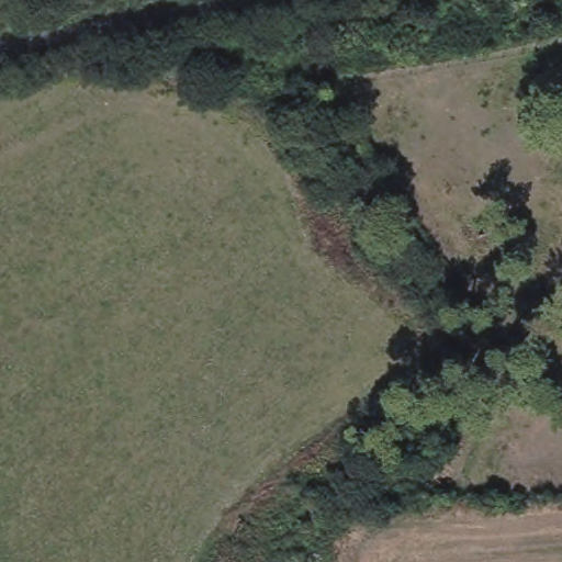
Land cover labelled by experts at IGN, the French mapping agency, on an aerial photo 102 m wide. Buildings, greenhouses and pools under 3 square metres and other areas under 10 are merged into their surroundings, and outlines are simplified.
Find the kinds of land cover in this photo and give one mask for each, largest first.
<instances>
[{"label":"agricultural land","instance_id":"1","mask_svg":"<svg viewBox=\"0 0 562 562\"><path fill-rule=\"evenodd\" d=\"M312 211L307 209V198L299 189V176H292L283 169V165L272 154L268 141L257 138V134L248 130V125L226 121L220 110L193 112L187 105H180L178 94L151 97L145 88H61V83H50L48 88L33 92L26 99H0V562H195L202 553L204 542L211 536L226 507H231L257 481L266 479L268 470L272 472L274 468L288 463L303 441L312 439L327 424L342 417L353 397H367L373 384L389 369V340L400 329V325L384 314V307H380L378 301H373L367 294L362 283H353L347 277L345 268L331 266L327 257H318L312 250L310 228L303 224V220ZM338 555L336 562H562V505L549 503L544 507L533 505L525 509L520 514L485 516L481 509H463L457 505L450 512H441V507H435L424 514L395 516L386 529H364L358 525L353 527V531L334 542Z\"/></svg>","mask_w":562,"mask_h":562},{"label":"deciduous trees","instance_id":"2","mask_svg":"<svg viewBox=\"0 0 562 562\"><path fill-rule=\"evenodd\" d=\"M156 2L198 4L209 0H0V35H42L48 31H57L70 22L88 20L103 13L130 9L136 11ZM529 40H533L538 46H544L562 40V0H294L288 9L257 7L241 15L215 13L204 22L182 20L180 29L169 33L167 42L160 40V35L154 31L143 33L136 42H130L125 33H114L110 37H99L90 33L83 35L79 44L61 46L48 50L46 55H20L13 61L9 55H0V99H26L33 92L48 88L50 83H61V88H145L151 97L178 94L180 105H187L193 112L220 110L226 121L248 125V130L257 134V138L268 141L272 154L283 165V169L292 176H299V189L307 198V209L312 211H338L345 222H351V257L358 263H362L369 272H373L375 279H389V285L393 290H400L402 301L419 312V318L426 321V327L419 334L452 331L468 323L474 331H483L485 327H490L492 318L501 316L514 303V299L498 292V301L490 303L483 310L470 307L468 303L448 307L439 279L450 257L441 252L439 241L426 228L419 215L411 162L402 156L397 145L380 143L371 136L375 121L373 108L380 92L373 88L367 75L371 70L380 72L386 68L402 70L419 64L459 61V57L474 59L485 48H509ZM514 132L527 149L549 154L562 151V94L549 97L538 86H529L527 97H522V108L514 114ZM476 222L494 246H503L507 239H514L525 233V224L514 222L505 215V202L492 200L485 211L476 215ZM496 277L501 281H512L520 288V283H525L520 277L525 272V263L505 257L494 268ZM547 329L562 331V285H555V292L542 301L540 316L529 323L525 342L512 347L505 353L496 349L487 351L485 362L496 371L492 380L479 375L476 367L463 369L446 360L437 378H424L417 373L419 389H415L413 393L393 382L389 391H384L380 397V406L384 408V424L367 430L364 437H356V428H349L345 430V439L349 441L353 452L373 450L375 457L382 461V470L389 474V479L400 481H428L441 476L443 468L454 459L463 435L472 437L476 430L494 428L505 419H512L514 415H549L551 430L562 428V395L555 386H551V380L542 375L544 362L536 356V338L542 336Z\"/></svg>","mask_w":562,"mask_h":562},{"label":"herbaceous vegetation","instance_id":"3","mask_svg":"<svg viewBox=\"0 0 562 562\"><path fill-rule=\"evenodd\" d=\"M373 88L380 92L373 108L375 121L371 136L380 143L397 145L402 156L411 162L419 215L426 228L439 241L441 252L450 257L439 279L448 307L468 303L470 307L483 310L490 303L498 301V292L514 299V303L501 316L492 318L490 327H485L483 331H474L468 323L452 331L419 334L426 327V321L419 318V312L402 301L400 290H393L389 285V279H375L373 272H369L362 263H358L351 257V222H345L338 211H312L303 220V224L310 228L312 250L318 257H327L331 266L345 268L347 277L353 283H362L367 294L373 301H378L380 307H384V314L400 325V329L389 340V369L373 384L367 397H353L342 417L327 424L312 439L303 441L288 463L274 468L272 472L268 470L266 479L257 481L231 507H226L211 536L213 540H222L226 533L235 531L239 525V516L250 514L257 507V501L277 494V487L283 481H288L290 487L294 485L299 490H325L329 483L325 479H318L316 474L325 468L329 472H340L345 468L340 461H336V448L345 439V430L349 428H356V437H364L367 430L384 424V408L380 406V397L384 391H389L393 382L413 393L415 389H419L417 373L424 378H437L446 360L463 369L476 367L479 375L492 380L496 371L485 362L487 351L496 349L505 353L512 347L525 342L529 323L540 316L542 301L555 292V285H562V151L549 154L527 149L514 132V114L522 108V97H527L529 86H538L549 97L562 94V40L544 46H538L533 40H529L509 48H485L474 59L459 57V61L419 64L402 70L386 68L380 72L371 70L367 75ZM492 200L505 202V215L514 222L525 224V233L514 239H507L503 246H494L476 222V215L485 211ZM505 257L525 263V272L520 277L525 283H520V288L512 281H501L496 277L494 268ZM536 356L544 362L542 375L551 380V386H555L562 395V331L547 329L542 336L536 338ZM400 481L404 483V490L382 492L389 505H400L402 501L419 494H448L454 503L463 501L470 494L485 498L494 494H518L520 505L525 509L533 505L544 507L549 503L562 505V428L551 430L549 415H514L512 419H505L494 428L476 430L472 437L463 435L454 459L443 468L441 476L428 481Z\"/></svg>","mask_w":562,"mask_h":562},{"label":"brushwood","instance_id":"4","mask_svg":"<svg viewBox=\"0 0 562 562\"><path fill-rule=\"evenodd\" d=\"M336 461H340L345 468L340 472H329L325 468L316 474L318 479H325L329 483L325 490H299L294 485L290 487L288 481H283L277 487V494L257 501V507L250 514L239 516V525L235 531L226 533L222 540H213L211 536L204 542L202 553L195 562H336L338 555L334 542L353 531V527L358 525L364 529H386L395 516L424 514L435 507H441V512H450L457 505L463 509H481L485 516L520 514L525 509L520 505L518 494H494L485 498L470 494L463 501L454 503L448 494H419L402 501L400 505H389L382 492L404 490V483L400 481L389 479V474L382 470V461L375 457L373 450L353 452L349 441L345 439L336 448Z\"/></svg>","mask_w":562,"mask_h":562},{"label":"impervious surface","instance_id":"5","mask_svg":"<svg viewBox=\"0 0 562 562\"><path fill-rule=\"evenodd\" d=\"M294 0H209L198 4L156 2L136 11L130 9L103 13L88 20L70 22L57 31H48L42 35H0V55H9L13 61L20 55H46L48 50L61 46L79 44L83 35L90 33L99 37H110L114 33H125L130 42H136L143 33L154 31L160 35V40L167 42L169 33L180 29L182 20L204 22L215 13L241 15L257 7L288 9Z\"/></svg>","mask_w":562,"mask_h":562}]
</instances>
